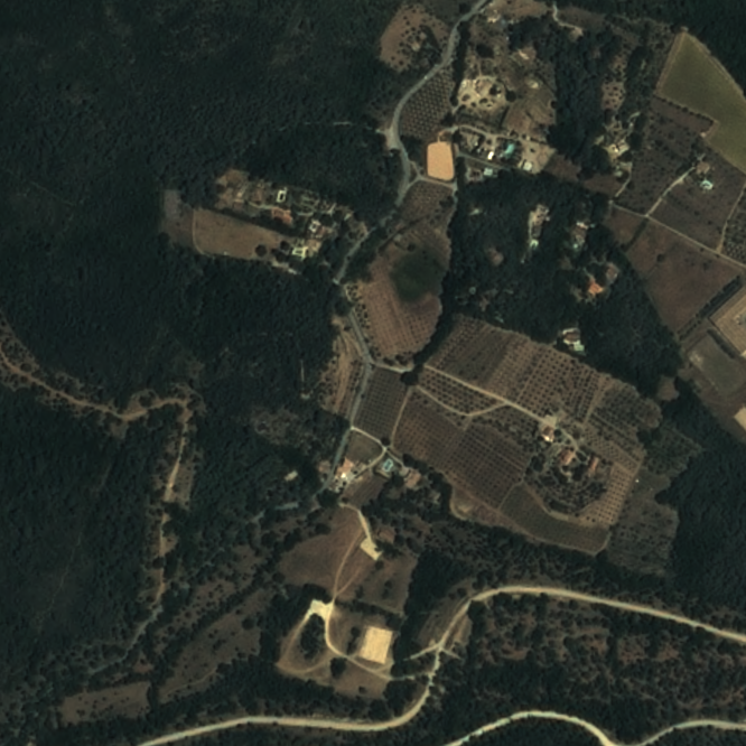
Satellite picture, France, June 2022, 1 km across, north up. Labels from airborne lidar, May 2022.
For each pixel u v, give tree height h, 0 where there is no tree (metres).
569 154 12
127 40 7
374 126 12
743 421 0
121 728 17
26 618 11
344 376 0
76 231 5
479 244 18
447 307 11
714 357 0
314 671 0
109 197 10
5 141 7
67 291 7
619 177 8
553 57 14
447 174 0
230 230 0
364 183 6
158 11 7
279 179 18
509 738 16
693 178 6
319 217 9
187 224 0
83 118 17
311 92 7
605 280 12
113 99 7
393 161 15
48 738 19
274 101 11
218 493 15
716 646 16
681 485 15
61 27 6
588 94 19
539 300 17
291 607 15
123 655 12
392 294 0
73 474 16
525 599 11
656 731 9
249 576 11
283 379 7
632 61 10
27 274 9
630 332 18
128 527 7
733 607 17
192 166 19
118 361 8
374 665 0
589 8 13
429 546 11
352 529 0
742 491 17
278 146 15
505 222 14
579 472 11
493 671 15
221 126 13
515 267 15
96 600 15
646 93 9
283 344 10
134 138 17
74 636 7
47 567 7
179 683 0
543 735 15
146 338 9
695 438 13
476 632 14
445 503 13
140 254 7
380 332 0
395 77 18
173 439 8
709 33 11
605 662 16
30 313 11
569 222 16
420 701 0
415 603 15
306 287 18
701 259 0
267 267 20
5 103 6
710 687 15
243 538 13
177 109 9
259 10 7
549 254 18
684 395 13
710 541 13
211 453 12
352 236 12
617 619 14
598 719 13
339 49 6
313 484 14
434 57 9
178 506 12
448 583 16
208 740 11
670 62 0
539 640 13
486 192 15
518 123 0
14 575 7
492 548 15
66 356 8
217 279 18
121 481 17
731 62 8
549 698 10
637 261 0
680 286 0
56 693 18
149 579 8
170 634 9
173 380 10
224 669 14
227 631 0
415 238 0
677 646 14
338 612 0
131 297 7
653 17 8
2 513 13
